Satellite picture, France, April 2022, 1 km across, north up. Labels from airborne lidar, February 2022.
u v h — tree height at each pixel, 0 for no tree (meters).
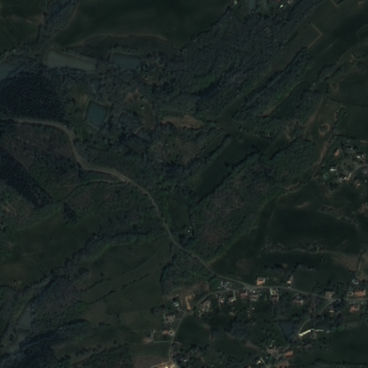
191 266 25
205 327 0
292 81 24
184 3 0
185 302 0
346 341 0
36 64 22
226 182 16
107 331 0
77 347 0
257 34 19
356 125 0
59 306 25
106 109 0
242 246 0
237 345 0
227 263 0
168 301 0
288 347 0
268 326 0
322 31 0
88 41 0
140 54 15
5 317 20
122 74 13
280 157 19
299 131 20
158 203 18
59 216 0
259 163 13
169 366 0
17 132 17
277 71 0
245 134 0
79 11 0
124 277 0
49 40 17
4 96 22
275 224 0
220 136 0
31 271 0
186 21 0
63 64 0
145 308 0
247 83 18
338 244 0
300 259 0
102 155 9
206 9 0
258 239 0
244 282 0
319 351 0
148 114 0
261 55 17
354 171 0
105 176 11
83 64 0
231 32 24
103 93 19
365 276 0
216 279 13
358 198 0
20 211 23
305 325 0
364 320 8
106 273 0
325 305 19
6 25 0
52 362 23
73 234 0
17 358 20
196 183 0
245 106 6
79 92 0
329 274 0
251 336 15
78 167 22
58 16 21
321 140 0
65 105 20
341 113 10
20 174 23
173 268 22
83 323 18
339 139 8
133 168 11
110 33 0
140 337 0
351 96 0
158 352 0
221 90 22
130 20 0
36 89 24
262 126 12
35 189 17
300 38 0
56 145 19
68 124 18
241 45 29
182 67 27
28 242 0
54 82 22
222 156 0
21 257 0
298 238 0
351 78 0
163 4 0
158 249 0
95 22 0
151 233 20
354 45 0
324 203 0
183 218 0
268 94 23
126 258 0
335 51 0
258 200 16
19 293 21
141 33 0
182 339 0
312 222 0
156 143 21
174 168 24
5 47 0
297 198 0
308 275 0
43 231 0
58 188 7
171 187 11
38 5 0
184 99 29
